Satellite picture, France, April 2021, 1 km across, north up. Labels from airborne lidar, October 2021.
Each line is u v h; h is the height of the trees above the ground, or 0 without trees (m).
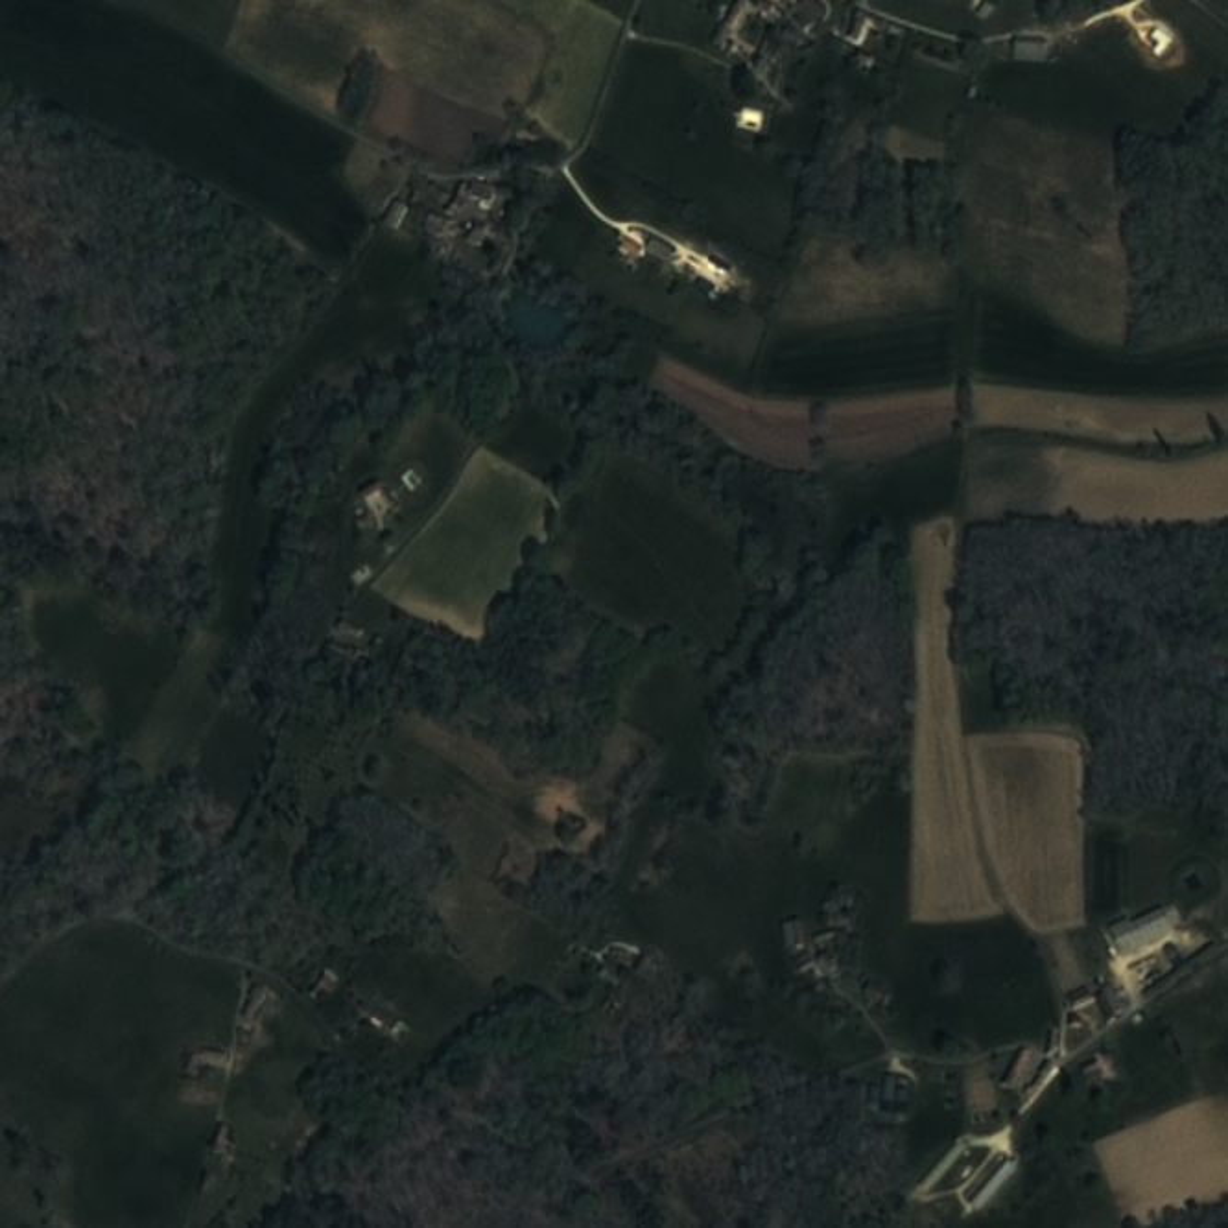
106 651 0
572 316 19
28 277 17
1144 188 25
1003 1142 0
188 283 25
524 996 12
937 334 0
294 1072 0
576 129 0
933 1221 0
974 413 18
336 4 0
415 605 0
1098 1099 13
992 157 0
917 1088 0
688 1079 22
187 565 12
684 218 17
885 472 0
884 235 23
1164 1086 0
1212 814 6
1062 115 0
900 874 0
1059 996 0
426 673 19
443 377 26
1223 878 0
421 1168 20
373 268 0
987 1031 0
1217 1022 0
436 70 0
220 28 0
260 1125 0
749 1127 15
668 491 0
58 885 22
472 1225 13
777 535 0
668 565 0
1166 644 30
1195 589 19
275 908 13
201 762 0
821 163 9
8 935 17
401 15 0
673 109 0
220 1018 0
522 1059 19
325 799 0
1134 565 22
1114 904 0
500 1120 19
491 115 0
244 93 0
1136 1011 0
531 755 14
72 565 22
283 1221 19
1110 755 14
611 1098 15
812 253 0
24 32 0
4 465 15
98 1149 0
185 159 0
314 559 8
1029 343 0
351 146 0
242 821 8
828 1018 13
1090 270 0
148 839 25
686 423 12
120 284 21
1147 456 8
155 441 19
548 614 21
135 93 0
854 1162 18
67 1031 0
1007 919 0
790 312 0
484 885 0
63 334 17
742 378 0
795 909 0
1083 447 0
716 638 0
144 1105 0
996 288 0
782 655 18
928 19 0
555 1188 22
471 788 0
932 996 0
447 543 0
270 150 0
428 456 0
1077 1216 0
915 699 22
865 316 0
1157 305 16
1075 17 14
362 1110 22
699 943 0
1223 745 25
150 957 0
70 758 7
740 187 0
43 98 0
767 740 17
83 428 11
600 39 0
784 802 0
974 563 18
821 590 19
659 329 6
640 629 0
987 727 0
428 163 16
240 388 21
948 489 0
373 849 18
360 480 0
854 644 17
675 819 10
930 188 21
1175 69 0
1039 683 17
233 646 0
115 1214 0
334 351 0
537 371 27
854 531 0
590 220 0
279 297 27
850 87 0
